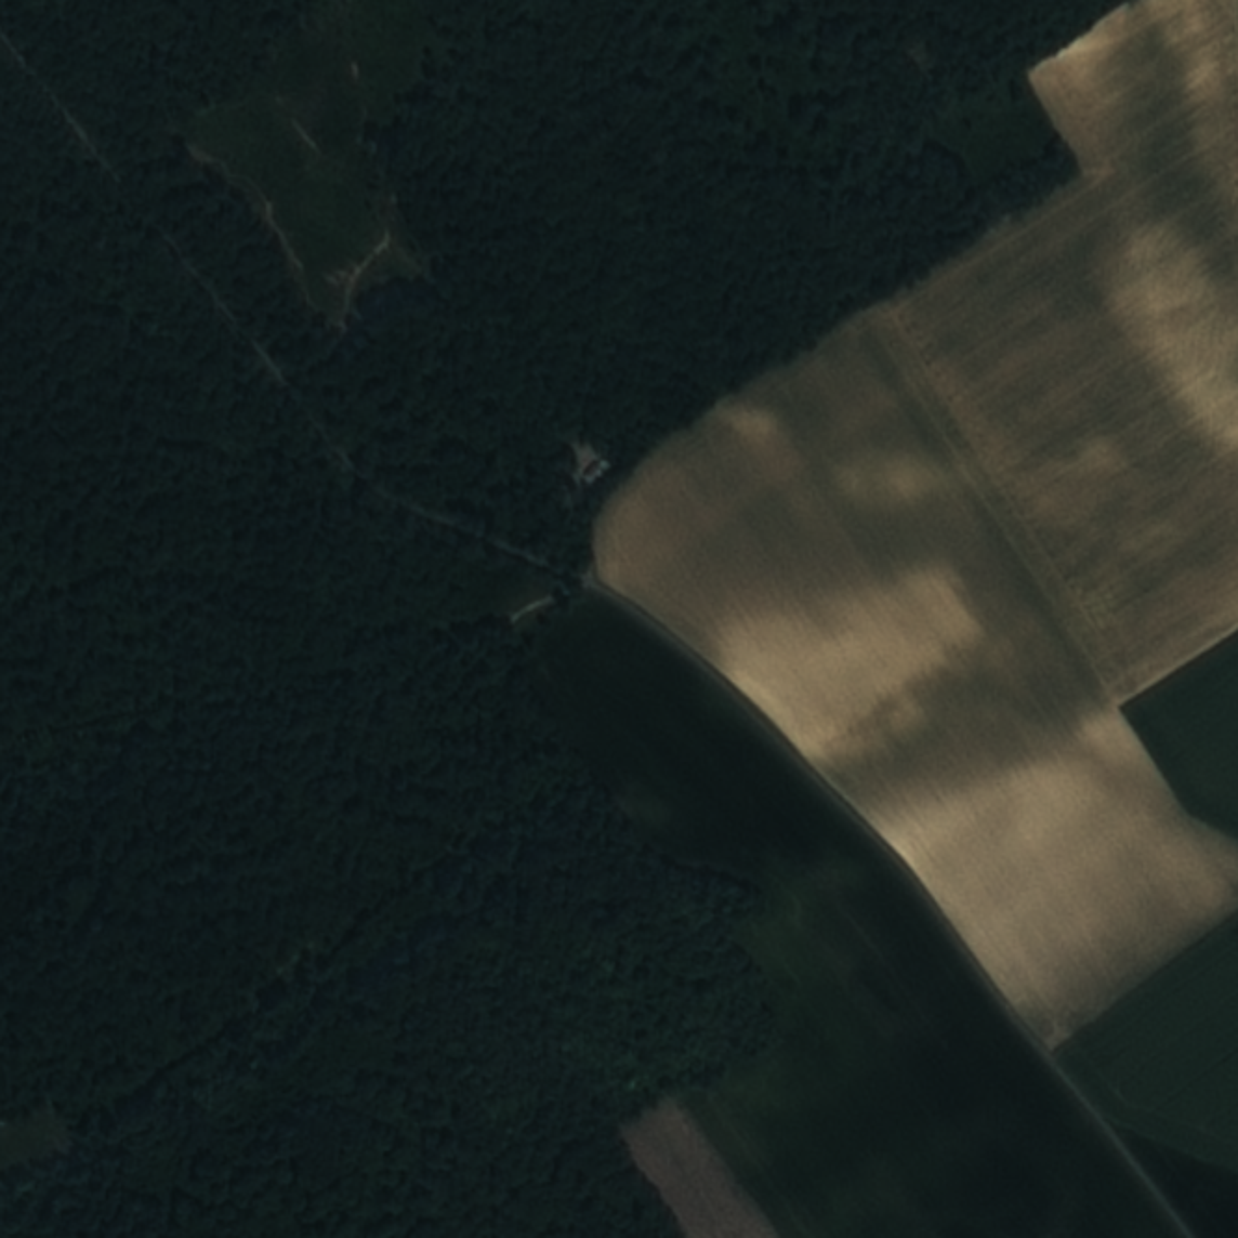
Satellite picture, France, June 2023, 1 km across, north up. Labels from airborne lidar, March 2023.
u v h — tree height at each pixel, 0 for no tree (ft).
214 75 62
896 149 30
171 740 25
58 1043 67
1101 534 0
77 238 53
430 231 84
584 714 0
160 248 64
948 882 0
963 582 0
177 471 79
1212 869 0
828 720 0
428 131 62
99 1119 22
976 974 0
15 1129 0
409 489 76
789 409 0
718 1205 0
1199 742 0
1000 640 0
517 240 71
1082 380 0
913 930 0
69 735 22
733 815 0
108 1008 87
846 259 64
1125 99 0
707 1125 0
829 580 0
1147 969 0
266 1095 22
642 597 0
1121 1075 0
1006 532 0
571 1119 73
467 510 87
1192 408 0
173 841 92
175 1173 22
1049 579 0
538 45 55
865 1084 0
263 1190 52
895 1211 0
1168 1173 0
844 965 0
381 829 38
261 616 77
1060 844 0
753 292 55
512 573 28
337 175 0
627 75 64
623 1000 49
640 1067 41
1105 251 0
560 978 39
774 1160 0
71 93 67
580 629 0
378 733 82
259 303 79
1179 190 0
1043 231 0
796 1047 0
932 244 75
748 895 47
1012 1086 0
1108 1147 0
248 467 73
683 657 0
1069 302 0
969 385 0
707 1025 33
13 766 53
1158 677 0
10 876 39
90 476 46
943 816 0
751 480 0
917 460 0
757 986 45
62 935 56
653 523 0
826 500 0
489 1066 57
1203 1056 0
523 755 78
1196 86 0
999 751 0
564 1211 37
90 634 64
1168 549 0
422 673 62
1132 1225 0
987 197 27
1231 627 0
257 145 0
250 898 83
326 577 50
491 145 68
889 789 0
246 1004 47
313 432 33
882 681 0
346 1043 20
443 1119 21
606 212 77
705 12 22
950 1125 0
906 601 0
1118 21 0
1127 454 0
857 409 0
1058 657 0
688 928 43
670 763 0
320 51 0
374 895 47
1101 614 0
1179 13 0
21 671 47
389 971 82
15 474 73
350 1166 69
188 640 79
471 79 68
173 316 73
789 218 52
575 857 62
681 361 48
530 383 82
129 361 55
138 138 63
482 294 81
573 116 62
